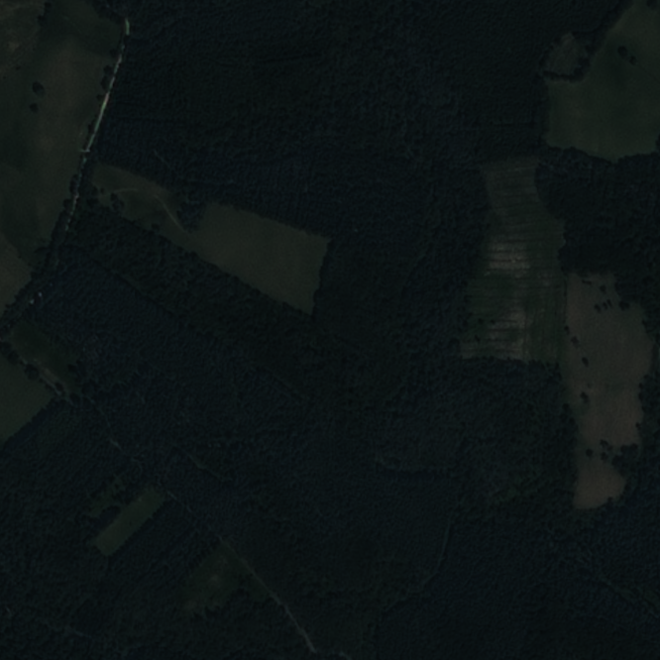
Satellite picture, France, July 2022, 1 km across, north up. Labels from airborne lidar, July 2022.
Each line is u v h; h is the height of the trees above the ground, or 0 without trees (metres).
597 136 0
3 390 0
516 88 9
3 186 0
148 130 18
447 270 9
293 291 0
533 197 0
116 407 26
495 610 12
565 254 19
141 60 11
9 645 24
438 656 9
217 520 27
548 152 16
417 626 14
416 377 8
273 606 10
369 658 20
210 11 19
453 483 27
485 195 20
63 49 0
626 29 0
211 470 7
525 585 19
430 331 16
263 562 16
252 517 15
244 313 8
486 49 8
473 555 12
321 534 23
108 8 19
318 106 18
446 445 17
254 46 13
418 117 15
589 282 7
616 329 0
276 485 18
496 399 17
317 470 19
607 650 27
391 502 24
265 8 23
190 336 27
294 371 8
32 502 23
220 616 16
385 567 16
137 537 18
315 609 15
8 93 0
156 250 7
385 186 16
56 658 21
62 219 16
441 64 7
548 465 10
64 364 0
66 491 11
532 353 0
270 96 9
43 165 0
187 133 16
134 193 0
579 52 0
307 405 8
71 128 0
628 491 12
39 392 0
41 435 26
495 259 0
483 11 9
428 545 26
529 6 5
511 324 0
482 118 7
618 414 0
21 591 13
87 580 11
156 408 21
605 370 0
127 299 26
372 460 29
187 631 14
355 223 13
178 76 10
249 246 0
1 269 0
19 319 18
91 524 13
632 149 0
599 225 20
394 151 19
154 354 26
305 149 19
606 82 0
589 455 15
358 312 16
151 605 16
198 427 19
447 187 19
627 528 22
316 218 20
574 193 18
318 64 12
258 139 14
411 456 21
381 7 17
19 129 0
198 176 19
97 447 23
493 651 15
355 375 26
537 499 8
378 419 19
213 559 0
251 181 18
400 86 10
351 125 15
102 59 0
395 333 8
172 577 21
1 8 0
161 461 27
